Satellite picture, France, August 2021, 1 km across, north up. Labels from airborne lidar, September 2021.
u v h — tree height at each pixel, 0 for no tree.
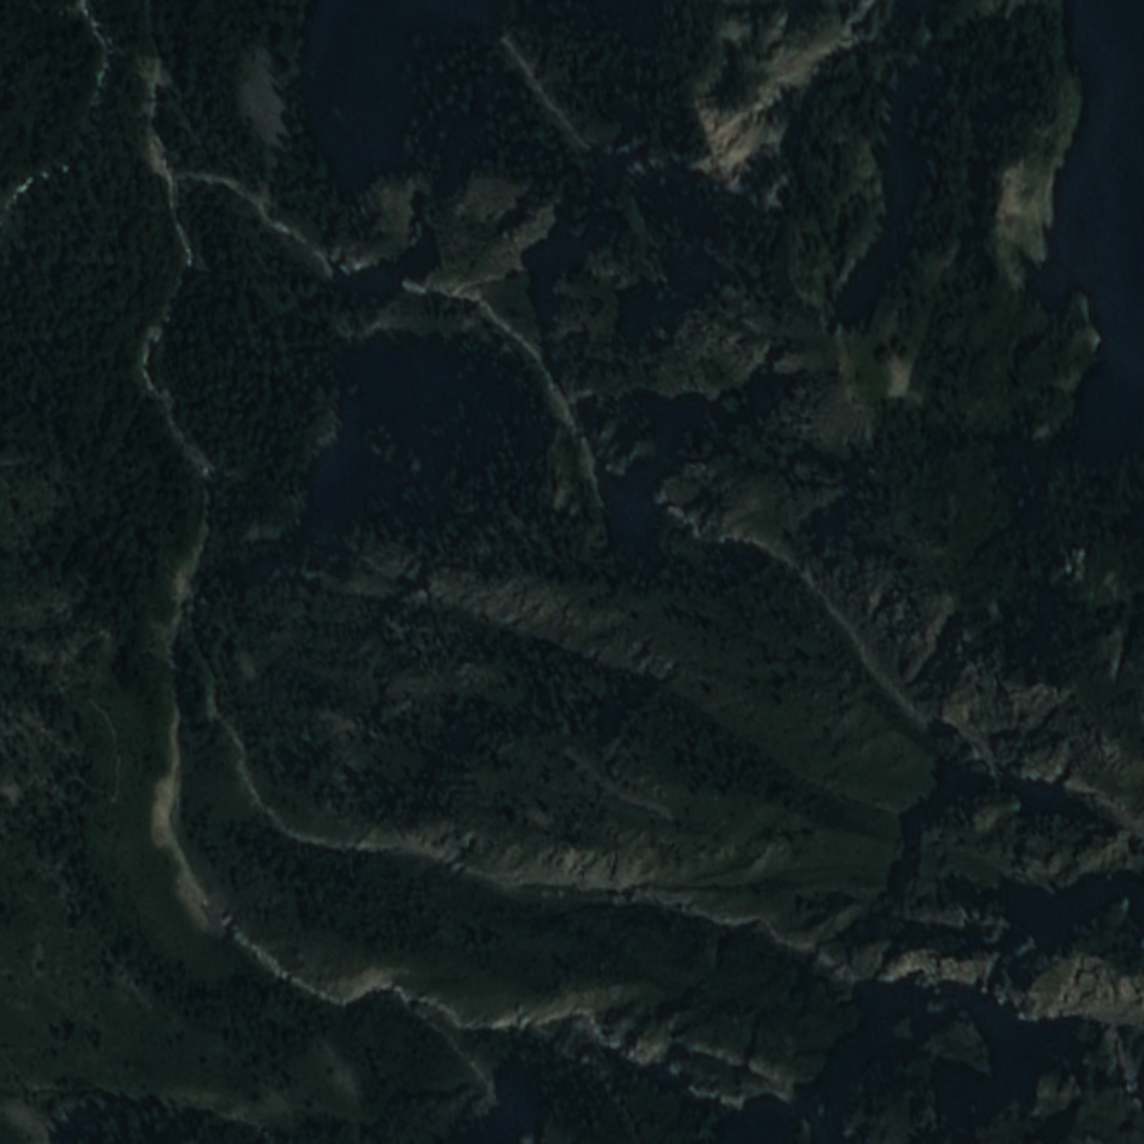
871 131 14
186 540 13
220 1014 12
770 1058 0
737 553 9
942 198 14
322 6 6
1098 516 6
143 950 12
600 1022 0
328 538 0
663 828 0
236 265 15
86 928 8
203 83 18
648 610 0
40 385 14
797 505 7
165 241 7
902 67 8
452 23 12
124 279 11
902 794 0
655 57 15
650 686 6
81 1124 11
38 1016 0
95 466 13
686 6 23
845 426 0
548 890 0
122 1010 0
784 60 0
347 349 11
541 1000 0
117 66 14
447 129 13
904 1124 0
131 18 17
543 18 9
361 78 7
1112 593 0
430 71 6
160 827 0
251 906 0
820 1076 0
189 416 6
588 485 8
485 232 7
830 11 11
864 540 0
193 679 10
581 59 7
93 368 16
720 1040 0
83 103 26
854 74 10
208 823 7
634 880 0
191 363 13
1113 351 0
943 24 12
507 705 0
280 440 13
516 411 10
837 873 0
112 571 23
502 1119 0
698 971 0
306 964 0
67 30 9
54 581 8
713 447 6
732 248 14
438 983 0
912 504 0
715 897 0
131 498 13
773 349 6
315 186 11
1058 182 0
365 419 9
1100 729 0
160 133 14
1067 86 10
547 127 7
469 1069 0
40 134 16
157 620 6
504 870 0
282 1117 0
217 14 25
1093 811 0
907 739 0
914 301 18
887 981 0
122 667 10
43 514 5
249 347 16
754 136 0
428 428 8
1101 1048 0
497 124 9
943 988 0
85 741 6
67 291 23
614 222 7
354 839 0
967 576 0
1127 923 0
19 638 9
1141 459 6
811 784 0
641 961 0
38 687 13
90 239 11
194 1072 0
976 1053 0
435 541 10
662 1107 0
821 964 0
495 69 10
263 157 11
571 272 6
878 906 0
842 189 6
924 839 0
